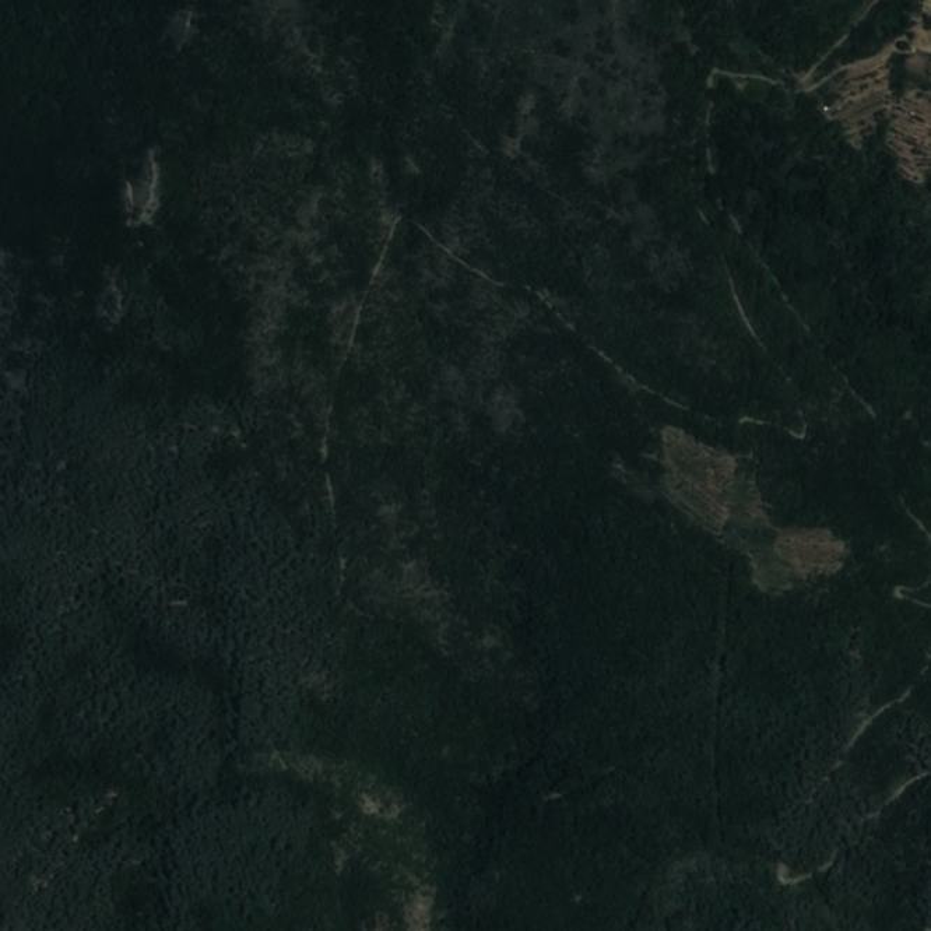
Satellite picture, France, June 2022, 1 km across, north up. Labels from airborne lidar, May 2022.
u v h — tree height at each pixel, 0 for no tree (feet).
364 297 22
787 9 34
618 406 30
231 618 81
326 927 61
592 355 33
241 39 31
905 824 24
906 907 35
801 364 37
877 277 63
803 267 39
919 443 35
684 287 26
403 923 20
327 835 25
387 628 33
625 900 39
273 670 70
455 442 31
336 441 18
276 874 70
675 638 45
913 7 38
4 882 53
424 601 24
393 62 31
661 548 29
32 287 19
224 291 49
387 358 17
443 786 39
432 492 23
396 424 20
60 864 66
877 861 55
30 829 67
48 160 29
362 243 29
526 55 24
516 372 20
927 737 27
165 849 46
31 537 71
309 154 22
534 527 31
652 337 20
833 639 50
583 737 43
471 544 18
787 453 22
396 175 37
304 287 23
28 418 41
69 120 26
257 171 23
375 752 28
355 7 38
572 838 40
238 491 53
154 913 21
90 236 28
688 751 29
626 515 46
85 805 67
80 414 50
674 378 31
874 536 23
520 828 47
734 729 42
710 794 25
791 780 31
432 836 40
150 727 61
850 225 75
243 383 38
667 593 44
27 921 68
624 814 38
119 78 21
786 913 44
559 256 27
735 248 34
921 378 25
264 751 27
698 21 35
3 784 51
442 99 25
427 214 27
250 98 36
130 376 34
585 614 33
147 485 60
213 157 20
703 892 21
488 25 20
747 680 35
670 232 22
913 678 32
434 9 23
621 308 19
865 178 28
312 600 49
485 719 44
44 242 24
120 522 73
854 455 30
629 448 21
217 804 58
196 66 26
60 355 35
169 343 35
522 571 34
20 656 48
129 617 48
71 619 77
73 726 61
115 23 31
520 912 44
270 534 55
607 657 33
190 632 63
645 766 34
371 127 35
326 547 18
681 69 38
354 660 32
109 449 58
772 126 41
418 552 26
